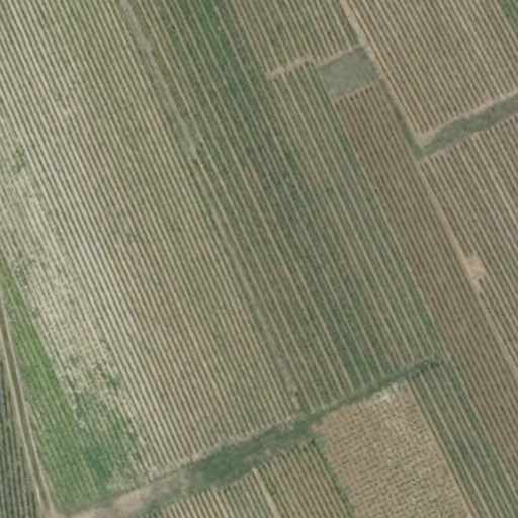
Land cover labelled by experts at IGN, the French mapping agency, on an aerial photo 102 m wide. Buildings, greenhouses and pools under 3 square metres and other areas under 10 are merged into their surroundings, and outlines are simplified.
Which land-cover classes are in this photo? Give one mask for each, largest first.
<instances>
[{"label":"vineyard","instance_id":"1","mask_svg":"<svg viewBox=\"0 0 518 518\"><path fill-rule=\"evenodd\" d=\"M0 518H518V0H0Z\"/></svg>","mask_w":518,"mask_h":518}]
</instances>
